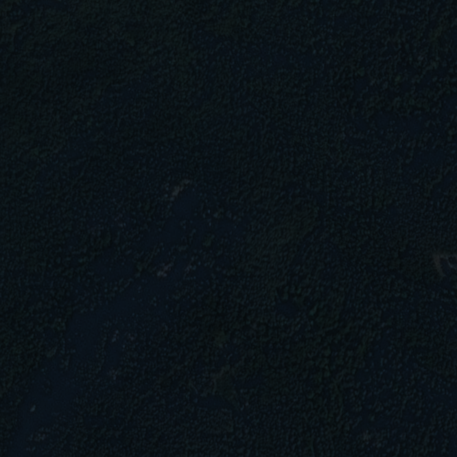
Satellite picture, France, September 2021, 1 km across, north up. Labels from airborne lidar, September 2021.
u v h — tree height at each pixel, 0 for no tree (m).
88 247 25
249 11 9
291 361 28
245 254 23
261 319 32
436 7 28
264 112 37
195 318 25
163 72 23
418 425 14
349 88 17
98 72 26
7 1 24
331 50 25
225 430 33
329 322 16
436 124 18
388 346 23
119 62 29
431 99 27
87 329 9
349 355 26
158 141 31
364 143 26
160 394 26
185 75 25
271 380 28
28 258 29
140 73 28
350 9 17
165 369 31
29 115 29
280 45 21
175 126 25
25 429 0
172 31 19
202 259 32
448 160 30
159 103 29
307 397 23
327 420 16
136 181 30
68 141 22
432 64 30
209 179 28
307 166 31
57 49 36
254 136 25
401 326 27
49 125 27
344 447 15
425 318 26
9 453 10
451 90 21
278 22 21
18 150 24
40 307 30
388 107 13
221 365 20
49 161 25
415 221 35
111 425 20
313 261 19
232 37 19
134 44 23
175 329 23
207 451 32
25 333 25
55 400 6
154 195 34
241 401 22
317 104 28
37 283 32
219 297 31
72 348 11
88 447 23
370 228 23
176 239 15
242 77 25
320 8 20
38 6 18
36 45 24
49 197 28
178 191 31
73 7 18
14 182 28
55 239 34
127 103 27
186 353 23
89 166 32
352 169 25
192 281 35
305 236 19
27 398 8
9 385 18
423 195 24
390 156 24
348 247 24
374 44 27
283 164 22
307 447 25
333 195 26
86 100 28
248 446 29
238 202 22
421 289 29
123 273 9
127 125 25
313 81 18
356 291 25
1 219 25
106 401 29
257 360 25
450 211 29
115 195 31
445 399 8
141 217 19
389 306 28
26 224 26
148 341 40
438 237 38
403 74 32
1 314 23
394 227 29
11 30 21
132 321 30
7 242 22
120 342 32
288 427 31
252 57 28
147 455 26
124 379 27
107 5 23
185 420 29
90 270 17
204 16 25
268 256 21
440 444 28
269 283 29
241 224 8
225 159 24
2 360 24
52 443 29
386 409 33
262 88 16
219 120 23
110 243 8
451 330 8
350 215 29
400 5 31
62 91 34
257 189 16
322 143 26
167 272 30
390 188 29
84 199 25
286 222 20
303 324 34
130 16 27
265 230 19
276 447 28
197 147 20
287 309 9
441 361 25
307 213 19
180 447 34
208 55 40
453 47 14
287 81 25
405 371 34
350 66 24
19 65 27
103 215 33
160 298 17
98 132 19
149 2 22
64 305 27
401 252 23
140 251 26
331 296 20
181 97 23
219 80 23
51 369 8
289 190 13
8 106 26
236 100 40
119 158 29
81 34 32
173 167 30
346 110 11
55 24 27
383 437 30
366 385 37
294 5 23
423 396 9
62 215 28
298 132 25
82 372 29
